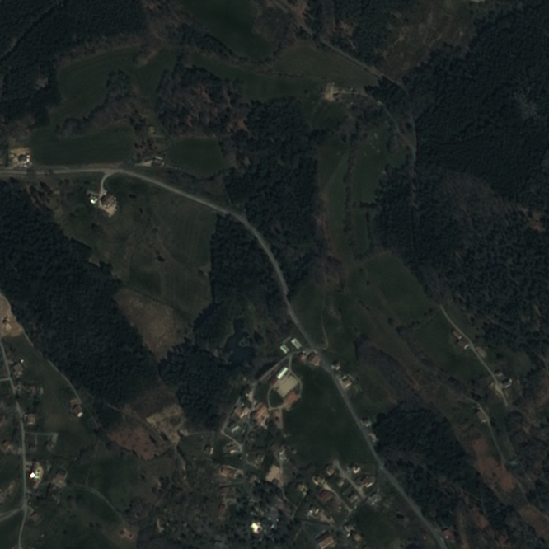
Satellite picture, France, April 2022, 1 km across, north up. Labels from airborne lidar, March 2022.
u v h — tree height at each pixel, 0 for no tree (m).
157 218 0
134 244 0
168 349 0
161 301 0
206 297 0
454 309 0
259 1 23
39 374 0
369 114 17
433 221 20
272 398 0
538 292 28
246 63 17
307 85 0
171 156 0
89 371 18
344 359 0
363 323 0
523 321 23
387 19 26
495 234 13
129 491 0
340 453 0
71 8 24
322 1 25
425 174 13
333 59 0
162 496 18
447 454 30
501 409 0
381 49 27
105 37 21
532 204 19
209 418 32
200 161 0
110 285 12
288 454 0
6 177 0
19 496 0
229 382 25
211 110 28
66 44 34
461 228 27
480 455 0
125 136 0
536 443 17
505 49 24
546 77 17
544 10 27
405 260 19
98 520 0
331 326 0
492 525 10
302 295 0
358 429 0
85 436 0
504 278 21
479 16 13
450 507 16
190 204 0
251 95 0
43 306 17
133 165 0
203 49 18
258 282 12
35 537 0
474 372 0
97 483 0
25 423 13
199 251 0
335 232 0
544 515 23
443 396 0
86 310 16
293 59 0
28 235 29
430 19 0
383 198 22
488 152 14
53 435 0
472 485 11
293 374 0
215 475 0
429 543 0
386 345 0
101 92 0
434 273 24
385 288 0
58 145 0
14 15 23
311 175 15
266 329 0
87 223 0
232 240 15
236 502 0
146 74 0
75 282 16
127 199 0
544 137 10
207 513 10
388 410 0
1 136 15
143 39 23
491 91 29
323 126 0
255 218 17
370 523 0
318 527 0
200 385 24
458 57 13
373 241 16
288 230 26
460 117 31
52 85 24
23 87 25
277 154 22
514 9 9
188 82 21
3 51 21
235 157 15
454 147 13
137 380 12
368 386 0
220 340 26
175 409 0
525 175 13
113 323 17
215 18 0
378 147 0
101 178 0
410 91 24
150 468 0
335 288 0
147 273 0
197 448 0
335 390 0
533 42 26
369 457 0
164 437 0
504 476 0
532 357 12
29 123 21
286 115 22
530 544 6
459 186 21
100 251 0
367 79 0
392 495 7
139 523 9
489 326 12
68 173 0
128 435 0
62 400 0
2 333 0
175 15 26
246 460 0
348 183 14
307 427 0
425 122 25
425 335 0
